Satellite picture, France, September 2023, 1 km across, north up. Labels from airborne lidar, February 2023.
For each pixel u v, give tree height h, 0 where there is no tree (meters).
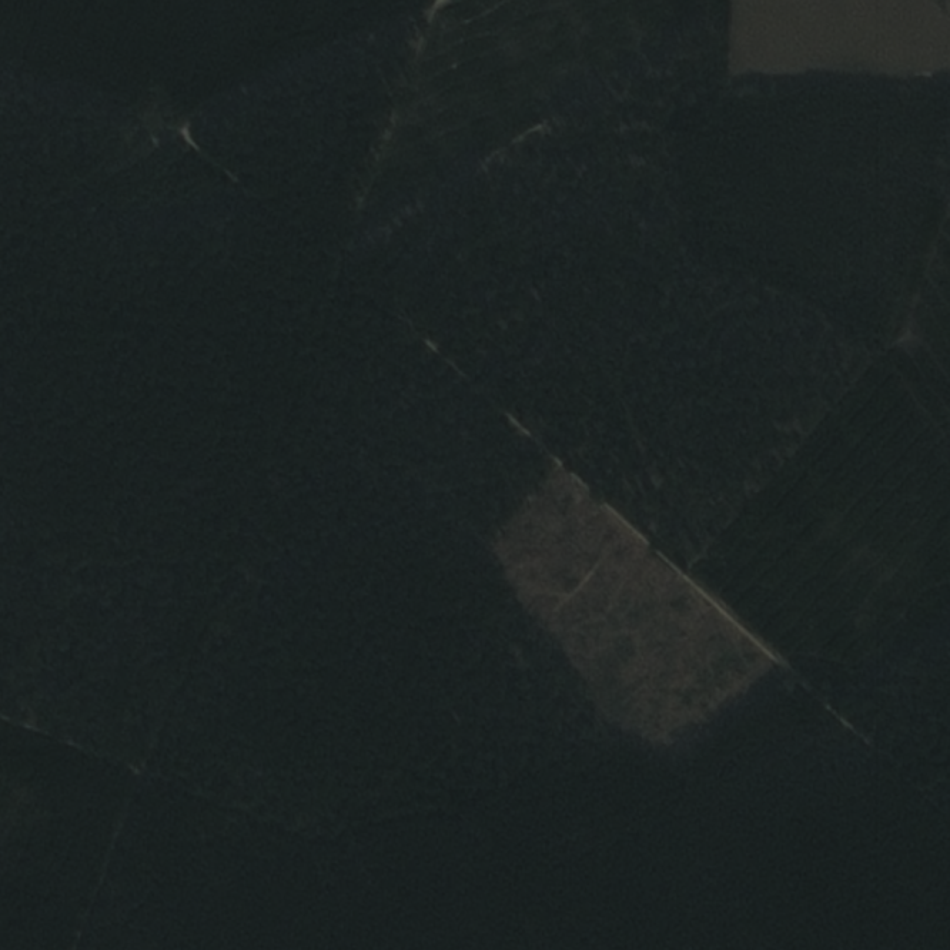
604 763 18
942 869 20
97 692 30
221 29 14
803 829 22
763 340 36
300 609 38
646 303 38
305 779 33
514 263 33
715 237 15
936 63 0
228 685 25
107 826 15
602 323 37
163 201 8
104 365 37
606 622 22
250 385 36
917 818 23
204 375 36
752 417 36
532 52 0
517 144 0
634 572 26
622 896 20
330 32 11
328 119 34
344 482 37
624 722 13
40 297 35
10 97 35
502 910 23
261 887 21
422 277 33
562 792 17
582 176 34
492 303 32
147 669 26
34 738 9
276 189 32
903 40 0
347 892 22
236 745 30
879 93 13
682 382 38
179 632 29
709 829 18
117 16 8
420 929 21
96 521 36
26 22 7
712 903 20
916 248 7
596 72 0
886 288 8
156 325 36
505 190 34
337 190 33
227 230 29
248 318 36
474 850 21
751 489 29
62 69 11
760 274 16
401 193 0
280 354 36
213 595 29
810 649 0
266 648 38
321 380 33
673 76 23
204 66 12
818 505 15
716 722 21
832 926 22
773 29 0
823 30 0
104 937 16
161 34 8
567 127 32
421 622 37
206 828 20
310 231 32
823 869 22
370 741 36
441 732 31
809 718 14
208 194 6
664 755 20
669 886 19
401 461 30
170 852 19
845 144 13
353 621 37
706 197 15
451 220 30
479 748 23
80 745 26
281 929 21
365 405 29
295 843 19
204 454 34
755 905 21
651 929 23
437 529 37
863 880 23
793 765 16
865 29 0
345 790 32
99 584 26
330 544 39
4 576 35
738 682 30
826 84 17
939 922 23
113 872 14
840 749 10
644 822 17
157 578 26
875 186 9
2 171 33
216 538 29
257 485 32
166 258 36
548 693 21
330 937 20
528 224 34
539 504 23
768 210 12
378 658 37
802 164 11
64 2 12
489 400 26
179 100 13
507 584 28
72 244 35
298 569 36
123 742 29
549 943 20
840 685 6
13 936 12
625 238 35
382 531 38
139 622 26
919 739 29
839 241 13
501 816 19
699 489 24
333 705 35
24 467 39
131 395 35
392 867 20
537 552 25
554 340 36
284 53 8
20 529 35
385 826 19
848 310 14
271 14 12
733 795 18
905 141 10
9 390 26
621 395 34
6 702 29
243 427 36
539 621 12
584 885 19
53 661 26
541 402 29
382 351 26
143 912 16
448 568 37
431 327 27
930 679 23
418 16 27
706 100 22
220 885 17
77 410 39
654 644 23
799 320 25
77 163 34
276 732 34
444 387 11
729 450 36
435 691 36
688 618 9
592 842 18
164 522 25
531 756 21
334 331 33
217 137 28
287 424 34
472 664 25
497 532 29
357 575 39
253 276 36
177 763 24
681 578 0
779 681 21
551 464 14
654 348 36
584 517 21
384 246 34
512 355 27
